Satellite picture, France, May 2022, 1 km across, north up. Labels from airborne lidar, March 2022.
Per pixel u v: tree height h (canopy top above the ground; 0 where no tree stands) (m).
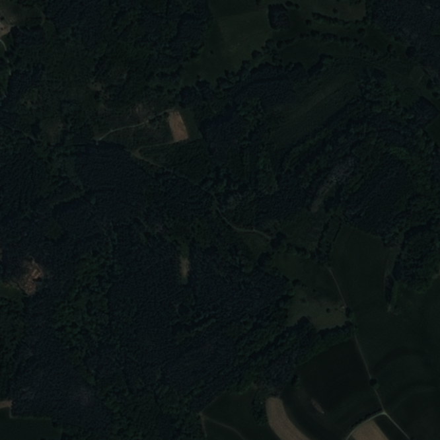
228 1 0
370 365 0
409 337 0
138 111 0
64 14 23
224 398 0
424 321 0
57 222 34
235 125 32
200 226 9
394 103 16
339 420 0
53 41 0
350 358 0
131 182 30
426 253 19
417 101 0
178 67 9
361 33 14
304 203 24
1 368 18
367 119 18
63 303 26
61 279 30
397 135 31
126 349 21
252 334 31
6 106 22
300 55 0
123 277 28
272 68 15
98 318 32
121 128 0
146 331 22
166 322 27
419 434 0
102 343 23
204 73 0
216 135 33
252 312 32
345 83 0
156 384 21
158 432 14
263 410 5
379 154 21
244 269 33
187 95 29
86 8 28
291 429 0
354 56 0
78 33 22
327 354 0
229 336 28
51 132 0
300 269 0
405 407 0
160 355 20
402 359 0
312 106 0
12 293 0
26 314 24
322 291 0
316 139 12
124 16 28
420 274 20
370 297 0
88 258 33
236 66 0
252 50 0
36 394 30
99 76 10
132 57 13
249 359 29
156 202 18
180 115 0
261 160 20
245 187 28
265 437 0
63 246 26
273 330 32
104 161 33
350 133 30
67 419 26
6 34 0
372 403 0
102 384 17
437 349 0
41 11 0
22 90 24
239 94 32
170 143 0
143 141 0
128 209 32
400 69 0
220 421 0
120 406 9
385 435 0
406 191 17
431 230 26
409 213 22
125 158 33
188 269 0
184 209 20
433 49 34
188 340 18
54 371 29
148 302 23
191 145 6
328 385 0
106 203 34
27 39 33
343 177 26
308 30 0
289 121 0
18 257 30
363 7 0
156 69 11
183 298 16
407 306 0
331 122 18
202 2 15
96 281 20
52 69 0
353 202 20
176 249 26
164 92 17
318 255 15
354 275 0
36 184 16
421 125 34
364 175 24
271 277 31
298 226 0
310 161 28
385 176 23
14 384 27
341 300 0
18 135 13
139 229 39
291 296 18
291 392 0
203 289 32
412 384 0
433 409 0
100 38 25
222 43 0
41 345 32
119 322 23
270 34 0
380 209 20
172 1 17
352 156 30
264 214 18
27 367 28
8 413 0
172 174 11
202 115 8
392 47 11
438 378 0
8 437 0
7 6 0
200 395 27
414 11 30
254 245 0
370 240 0
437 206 21
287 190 20
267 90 30
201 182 7
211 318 28
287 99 35
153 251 38
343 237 0
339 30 0
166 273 26
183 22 32
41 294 29
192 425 24
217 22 0
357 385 0
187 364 30
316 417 0
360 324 0
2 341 12
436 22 27
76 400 30
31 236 32
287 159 16
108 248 24
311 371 0
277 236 0
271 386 20
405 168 20
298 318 0
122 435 21
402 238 0
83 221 33
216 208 0
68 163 28
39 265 32
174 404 26
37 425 0
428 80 0
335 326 0
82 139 13
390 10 24
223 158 32
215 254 26
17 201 15
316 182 24
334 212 22
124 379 18
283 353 22
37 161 15
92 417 31
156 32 22
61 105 21
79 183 22
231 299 32
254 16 0
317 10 0
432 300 0
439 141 0
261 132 16
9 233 27
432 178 27
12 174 20
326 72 17
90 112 0
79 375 33
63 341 27
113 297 26
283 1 0
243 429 0
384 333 0
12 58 20
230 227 20
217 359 29
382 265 0
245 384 25
